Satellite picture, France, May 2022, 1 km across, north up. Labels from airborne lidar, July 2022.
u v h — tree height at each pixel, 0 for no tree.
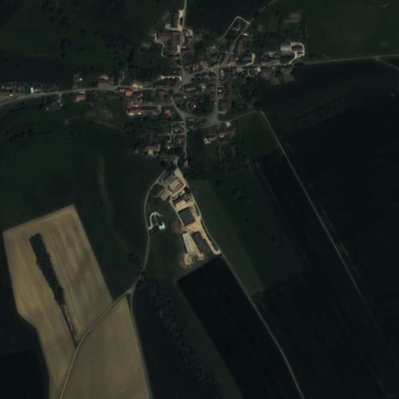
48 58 0
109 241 0
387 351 0
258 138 0
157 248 0
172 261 0
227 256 0
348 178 0
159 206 0
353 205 0
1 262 0
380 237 0
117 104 0
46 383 0
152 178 0
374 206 0
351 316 0
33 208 0
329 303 0
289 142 0
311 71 0
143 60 0
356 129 0
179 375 0
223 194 0
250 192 0
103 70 0
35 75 0
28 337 0
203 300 0
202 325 0
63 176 0
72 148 0
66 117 0
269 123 0
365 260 0
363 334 0
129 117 0
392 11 0
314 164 0
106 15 0
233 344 0
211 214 0
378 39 0
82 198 0
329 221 0
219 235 0
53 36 0
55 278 14
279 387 0
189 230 0
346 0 0
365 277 0
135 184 0
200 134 0
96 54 0
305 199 0
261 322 0
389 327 0
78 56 7
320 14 0
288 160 0
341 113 0
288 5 0
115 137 0
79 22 0
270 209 0
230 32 5
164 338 0
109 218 0
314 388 0
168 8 0
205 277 0
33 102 0
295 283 0
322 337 0
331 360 0
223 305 0
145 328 0
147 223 0
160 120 6
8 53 0
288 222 0
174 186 0
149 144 0
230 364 0
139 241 0
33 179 0
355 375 0
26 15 0
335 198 0
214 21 0
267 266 0
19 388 0
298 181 0
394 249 0
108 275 0
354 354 0
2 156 0
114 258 0
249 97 17
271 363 0
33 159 0
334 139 0
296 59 0
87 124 0
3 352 0
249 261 0
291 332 0
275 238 14
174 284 0
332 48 0
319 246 0
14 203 0
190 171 7
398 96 0
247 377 0
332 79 0
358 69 0
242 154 5
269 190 0
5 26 0
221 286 0
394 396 0
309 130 0
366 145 0
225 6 0
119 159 0
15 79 0
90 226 0
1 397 0
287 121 0
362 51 0
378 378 0
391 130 0
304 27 0
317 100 0
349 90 0
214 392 21
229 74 0
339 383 0
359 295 0
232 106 15
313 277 0
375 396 0
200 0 0
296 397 0
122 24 0
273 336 0
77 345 0
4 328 0
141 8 0
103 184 0
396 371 0
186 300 0
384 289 0
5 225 0
